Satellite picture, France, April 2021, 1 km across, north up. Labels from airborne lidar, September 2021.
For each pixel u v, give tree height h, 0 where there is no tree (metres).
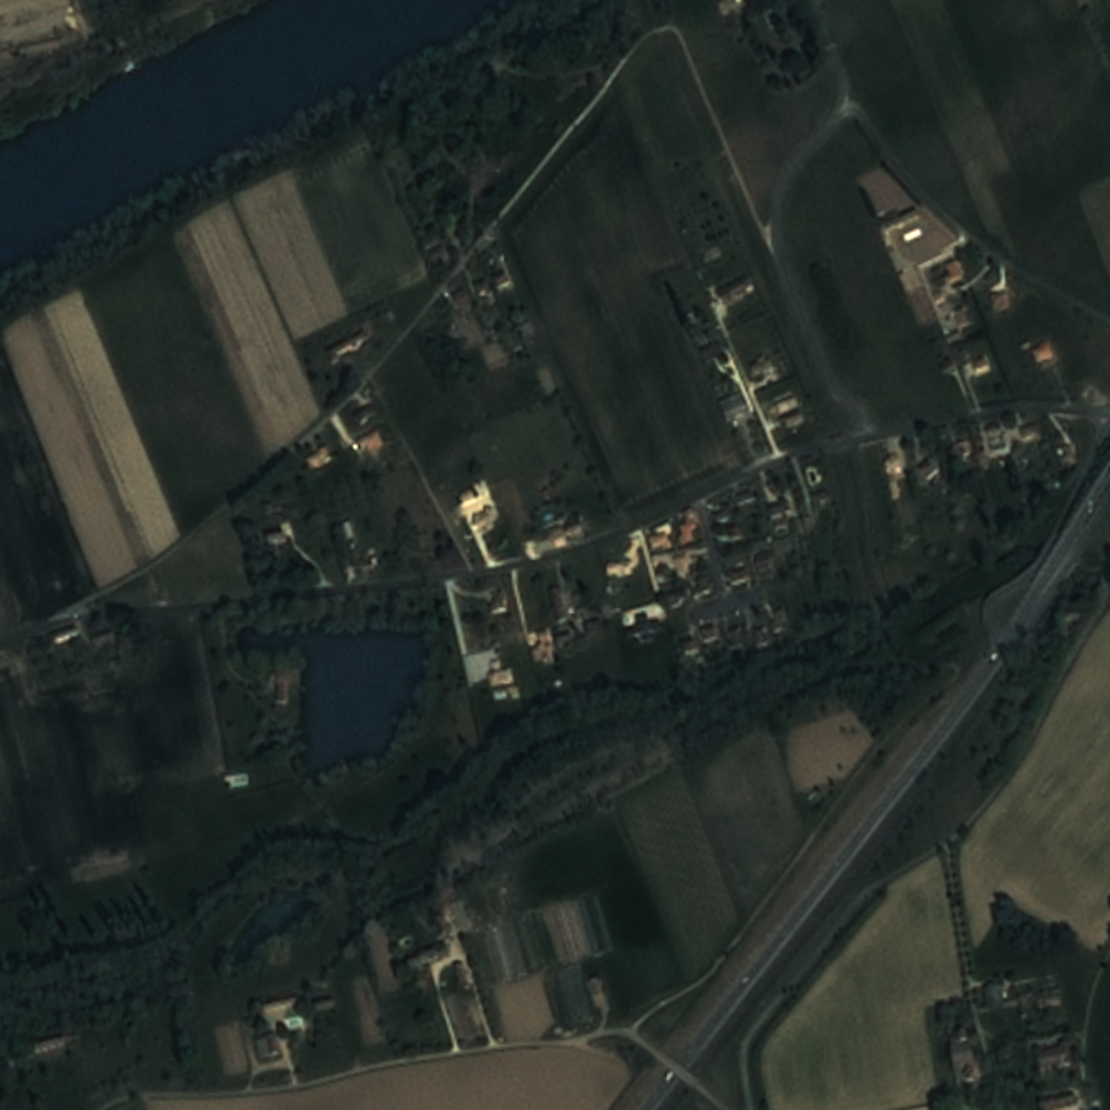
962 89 0
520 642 0
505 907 0
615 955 0
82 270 19
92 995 23
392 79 12
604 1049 0
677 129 0
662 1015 0
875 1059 0
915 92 0
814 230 0
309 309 0
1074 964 0
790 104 0
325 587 0
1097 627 0
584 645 8
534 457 0
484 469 6
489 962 0
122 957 27
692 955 0
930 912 0
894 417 0
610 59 14
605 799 8
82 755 0
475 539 0
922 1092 0
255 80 0
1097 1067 0
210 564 0
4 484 0
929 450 12
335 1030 8
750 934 0
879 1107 0
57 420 0
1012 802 0
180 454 0
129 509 0
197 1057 20
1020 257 0
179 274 0
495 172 0
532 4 15
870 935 0
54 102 11
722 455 0
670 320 0
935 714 0
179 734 0
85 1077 0
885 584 0
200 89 0
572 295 0
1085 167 0
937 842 0
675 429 0
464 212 17
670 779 0
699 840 0
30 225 0
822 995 0
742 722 17
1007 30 0
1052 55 0
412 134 18
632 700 22
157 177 0
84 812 0
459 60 11
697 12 0
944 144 0
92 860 0
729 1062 0
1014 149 0
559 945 0
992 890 0
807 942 0
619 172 0
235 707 0
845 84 0
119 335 0
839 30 0
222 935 0
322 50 0
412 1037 0
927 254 0
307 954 0
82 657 8
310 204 0
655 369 0
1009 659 19
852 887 0
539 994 0
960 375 0
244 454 0
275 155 29
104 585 0
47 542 0
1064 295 0
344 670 0
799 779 0
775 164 0
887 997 0
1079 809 0
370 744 0
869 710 12
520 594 0
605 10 10
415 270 0
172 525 0
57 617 0
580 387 0
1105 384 0
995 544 8
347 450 0
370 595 13
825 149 0
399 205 8
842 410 0
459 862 0
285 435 0
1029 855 0
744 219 0
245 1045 0
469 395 0
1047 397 0
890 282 0
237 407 0
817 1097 0
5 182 0
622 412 0
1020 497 25
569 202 0
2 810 0
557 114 0
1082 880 0
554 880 0
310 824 0
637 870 0
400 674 0
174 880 0
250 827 0
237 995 0
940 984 0
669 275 0
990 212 0
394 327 0
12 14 0
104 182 0
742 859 0
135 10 12
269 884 16
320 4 0
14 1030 26
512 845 10
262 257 0
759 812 0
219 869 0
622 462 0
